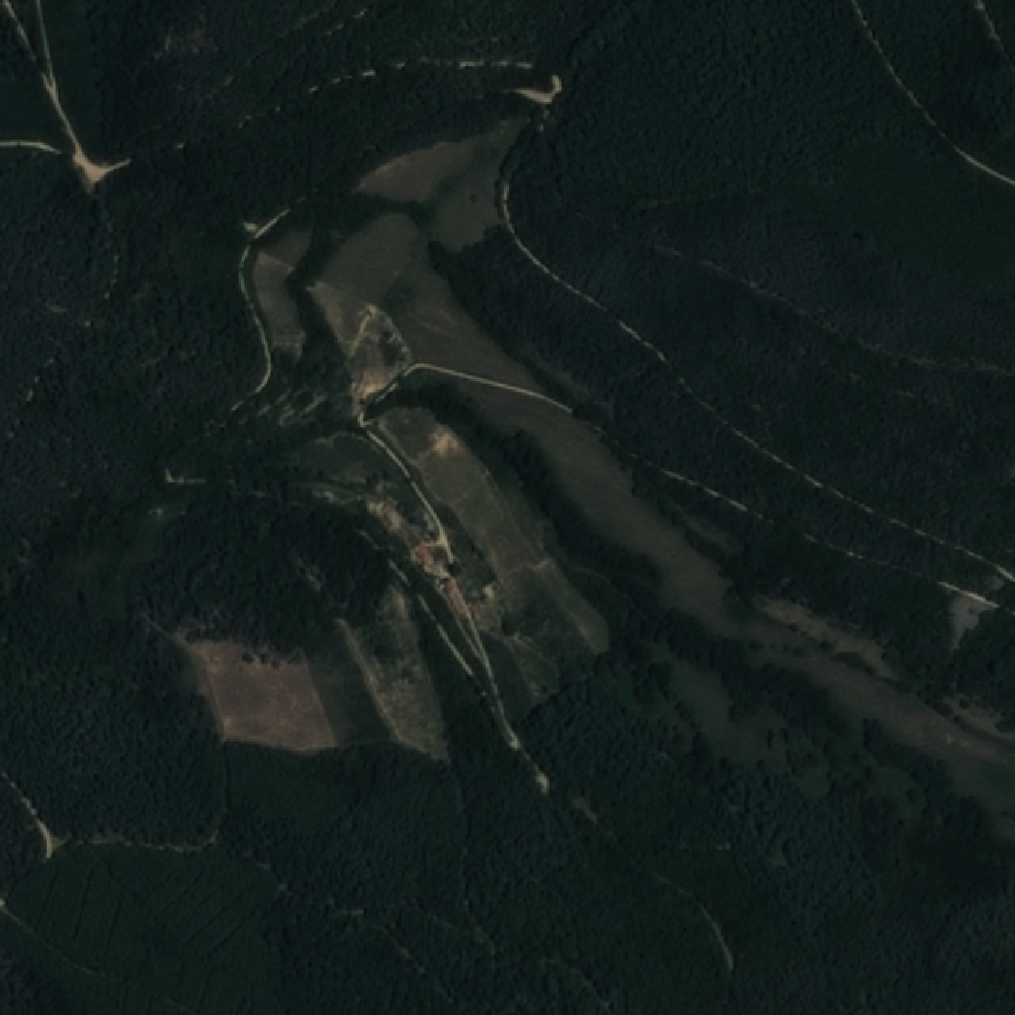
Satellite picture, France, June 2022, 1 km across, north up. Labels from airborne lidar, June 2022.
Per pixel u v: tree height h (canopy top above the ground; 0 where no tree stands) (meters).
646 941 12
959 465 15
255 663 6
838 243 16
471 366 0
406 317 0
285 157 19
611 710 25
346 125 16
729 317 16
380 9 14
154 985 13
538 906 24
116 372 19
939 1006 24
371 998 11
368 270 0
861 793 16
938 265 6
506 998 16
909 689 13
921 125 9
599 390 8
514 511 0
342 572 16
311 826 13
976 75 14
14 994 9
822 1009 15
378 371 0
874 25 10
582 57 28
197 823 23
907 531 17
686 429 14
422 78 17
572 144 10
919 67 11
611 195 11
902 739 0
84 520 12
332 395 8
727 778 16
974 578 14
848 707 0
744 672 20
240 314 7
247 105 16
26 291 14
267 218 9
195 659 0
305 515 18
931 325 14
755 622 0
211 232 8
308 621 15
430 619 13
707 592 0
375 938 15
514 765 8
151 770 19
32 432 17
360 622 18
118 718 17
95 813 22
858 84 16
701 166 13
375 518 6
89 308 12
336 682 0
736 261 16
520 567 0
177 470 19
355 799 9
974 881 18
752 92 19
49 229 18
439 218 0
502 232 9
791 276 14
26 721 15
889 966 21
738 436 12
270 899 13
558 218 11
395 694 0
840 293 14
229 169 16
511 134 0
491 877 19
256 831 13
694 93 16
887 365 9
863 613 18
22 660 17
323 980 13
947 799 21
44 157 11
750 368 11
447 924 10
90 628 13
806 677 12
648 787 25
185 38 7
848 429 12
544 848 20
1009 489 11
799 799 22
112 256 13
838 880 25
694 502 13
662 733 14
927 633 16
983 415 16
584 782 15
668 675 16
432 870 22
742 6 17
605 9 16
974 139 13
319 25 13
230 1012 12
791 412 13
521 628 9
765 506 10
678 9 16
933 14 16
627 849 17
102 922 11
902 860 18
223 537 11
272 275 0
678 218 12
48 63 13
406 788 19
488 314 14
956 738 0
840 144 8
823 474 13
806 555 16
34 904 12
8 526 16
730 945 12
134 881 13
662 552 0
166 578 8
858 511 16
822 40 19
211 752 14
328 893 14
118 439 15
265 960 14
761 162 13
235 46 16
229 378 12
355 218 12
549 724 27
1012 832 0
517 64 11
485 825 13
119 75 8
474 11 12
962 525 11
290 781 13
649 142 14
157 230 9
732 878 12
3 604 20
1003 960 6
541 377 6
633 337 18
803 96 15
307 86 18
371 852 17
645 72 13
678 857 14
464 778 16
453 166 0
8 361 21
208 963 11
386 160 11
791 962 17
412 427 0
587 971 19
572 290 12
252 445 19
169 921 14
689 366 13
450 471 0
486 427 13
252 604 10
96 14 12
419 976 14
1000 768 0
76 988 12
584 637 0
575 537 25
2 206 13
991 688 15
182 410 7
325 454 0
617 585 14
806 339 17
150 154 9
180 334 13
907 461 19
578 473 0
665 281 15
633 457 8
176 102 14
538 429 0
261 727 0
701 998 14
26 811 15
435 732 0
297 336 0
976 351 11
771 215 13
